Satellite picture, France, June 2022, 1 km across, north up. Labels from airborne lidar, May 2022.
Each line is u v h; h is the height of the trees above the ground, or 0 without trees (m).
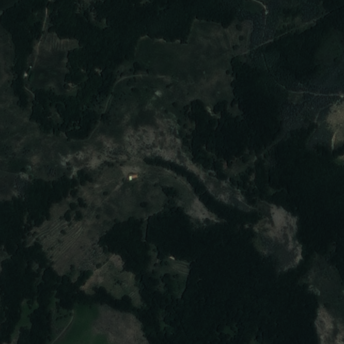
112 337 0
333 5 17
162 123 0
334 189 19
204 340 18
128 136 0
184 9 27
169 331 14
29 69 11
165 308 11
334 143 0
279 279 12
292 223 0
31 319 10
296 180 17
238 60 13
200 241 18
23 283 18
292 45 23
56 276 7
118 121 0
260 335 12
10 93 0
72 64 13
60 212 0
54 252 0
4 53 0
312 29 15
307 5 7
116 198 0
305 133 10
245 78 17
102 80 16
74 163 0
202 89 0
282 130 6
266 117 19
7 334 10
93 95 14
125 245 17
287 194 17
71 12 19
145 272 9
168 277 15
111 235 14
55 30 10
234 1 8
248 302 23
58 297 11
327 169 18
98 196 0
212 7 19
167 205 7
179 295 0
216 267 18
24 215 7
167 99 0
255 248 7
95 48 16
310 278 0
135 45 21
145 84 0
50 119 12
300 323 17
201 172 0
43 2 15
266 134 17
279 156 13
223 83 0
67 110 14
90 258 0
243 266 20
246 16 7
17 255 16
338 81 0
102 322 0
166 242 19
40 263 10
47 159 0
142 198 0
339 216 18
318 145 14
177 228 18
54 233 0
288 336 18
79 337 0
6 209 14
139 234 16
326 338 0
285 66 21
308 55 17
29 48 14
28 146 0
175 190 10
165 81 0
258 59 11
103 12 18
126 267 12
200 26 0
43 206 15
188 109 11
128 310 21
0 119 0
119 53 19
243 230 10
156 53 0
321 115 0
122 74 9
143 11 18
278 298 16
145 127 0
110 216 0
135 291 0
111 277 0
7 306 10
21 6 14
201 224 7
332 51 0
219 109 14
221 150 15
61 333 0
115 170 0
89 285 0
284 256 0
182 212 13
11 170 0
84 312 0
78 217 11
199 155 15
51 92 11
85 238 0
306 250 9
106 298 25
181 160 0
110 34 27
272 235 0
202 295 18
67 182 14
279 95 9
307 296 11
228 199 0
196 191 9
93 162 0
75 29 16
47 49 0
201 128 19
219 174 12
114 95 8
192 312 23
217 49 0
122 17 18
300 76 14
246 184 11
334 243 8
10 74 0
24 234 11
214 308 24
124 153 0
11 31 9
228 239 17
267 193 12
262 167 15
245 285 20
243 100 19
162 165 10
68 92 0
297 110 6
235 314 15
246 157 12
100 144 0
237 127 18
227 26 14
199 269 20
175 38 21
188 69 0
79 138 10
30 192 12
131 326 0
